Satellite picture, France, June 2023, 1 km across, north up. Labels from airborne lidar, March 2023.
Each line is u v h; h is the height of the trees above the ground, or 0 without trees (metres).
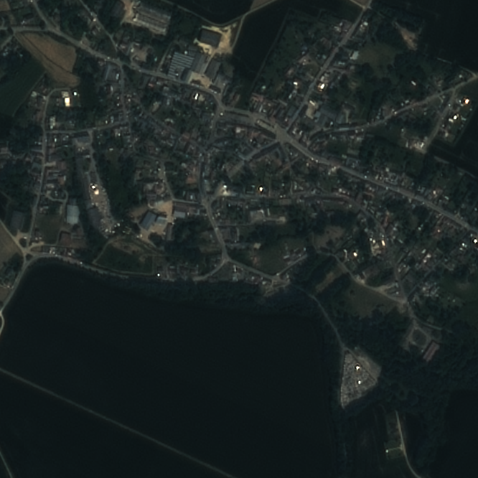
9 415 0
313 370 0
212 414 0
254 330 0
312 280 16
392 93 12
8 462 0
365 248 14
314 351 0
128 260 0
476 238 0
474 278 14
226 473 0
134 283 15
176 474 0
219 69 8
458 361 20
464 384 19
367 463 0
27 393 0
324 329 17
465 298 0
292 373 0
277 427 0
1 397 0
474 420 0
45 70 0
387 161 8
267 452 0
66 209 0
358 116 0
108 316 0
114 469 0
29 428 0
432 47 0
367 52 0
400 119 9
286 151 0
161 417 0
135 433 0
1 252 0
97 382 0
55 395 0
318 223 17
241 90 0
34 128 11
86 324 0
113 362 0
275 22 0
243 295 7
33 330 0
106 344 0
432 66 12
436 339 0
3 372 0
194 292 11
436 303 7
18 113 12
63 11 11
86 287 0
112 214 18
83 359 0
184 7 0
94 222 0
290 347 0
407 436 0
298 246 0
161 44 12
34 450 0
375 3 11
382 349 23
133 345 0
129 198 9
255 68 0
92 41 8
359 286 0
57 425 0
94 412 0
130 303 0
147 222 0
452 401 0
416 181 13
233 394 0
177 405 0
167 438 0
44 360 0
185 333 0
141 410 0
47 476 0
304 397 0
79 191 14
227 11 0
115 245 0
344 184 9
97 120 0
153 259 0
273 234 21
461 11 0
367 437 0
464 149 0
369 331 24
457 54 0
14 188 9
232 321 0
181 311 0
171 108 0
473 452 0
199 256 22
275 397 0
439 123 0
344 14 0
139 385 0
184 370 0
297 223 8
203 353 0
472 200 11
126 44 0
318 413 0
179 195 8
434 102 0
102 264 0
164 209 0
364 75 11
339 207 0
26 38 0
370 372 0
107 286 0
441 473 0
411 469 0
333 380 11
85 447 0
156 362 0
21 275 0
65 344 0
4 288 0
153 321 0
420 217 14
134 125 8
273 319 0
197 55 0
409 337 0
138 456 0
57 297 0
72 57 0
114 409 0
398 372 23
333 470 0
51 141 0
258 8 0
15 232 0
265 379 0
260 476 0
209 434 0
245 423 0
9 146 9
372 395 14
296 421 0
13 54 14
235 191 0
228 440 0
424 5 0
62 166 0
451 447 0
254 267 0
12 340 0
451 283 0
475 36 0
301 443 0
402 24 13
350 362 0
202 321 0
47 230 0
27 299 0
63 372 0
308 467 0
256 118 0
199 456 0
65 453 0
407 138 0
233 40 0
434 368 18
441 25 0
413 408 19
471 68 0
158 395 0
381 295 0
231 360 0
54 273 0
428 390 24
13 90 0
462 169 0
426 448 24
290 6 0
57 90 0
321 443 0
